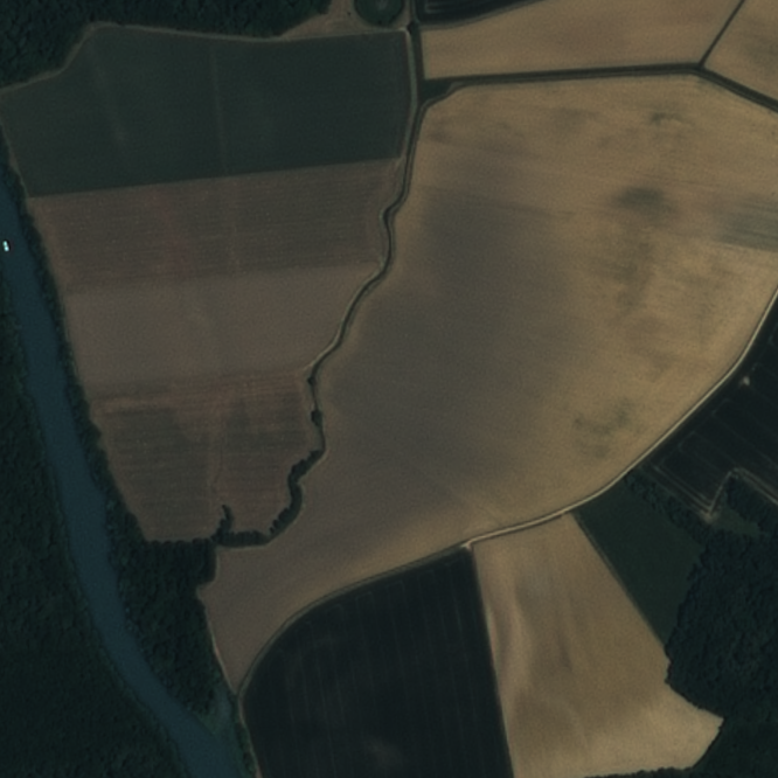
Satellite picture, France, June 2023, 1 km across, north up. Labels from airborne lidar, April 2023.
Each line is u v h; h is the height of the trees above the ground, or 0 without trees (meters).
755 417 0
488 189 0
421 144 0
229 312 0
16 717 17
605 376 0
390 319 0
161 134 0
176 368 0
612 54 0
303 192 0
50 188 0
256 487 0
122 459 0
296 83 0
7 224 0
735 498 20
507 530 0
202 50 0
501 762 0
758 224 0
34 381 0
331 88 0
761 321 0
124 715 16
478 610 0
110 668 15
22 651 17
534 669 0
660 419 0
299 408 0
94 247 0
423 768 0
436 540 0
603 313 0
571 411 0
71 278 0
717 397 0
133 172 0
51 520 20
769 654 27
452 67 0
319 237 0
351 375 0
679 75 0
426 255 0
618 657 0
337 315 0
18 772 20
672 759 0
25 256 0
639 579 0
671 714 0
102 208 0
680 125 0
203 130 0
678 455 0
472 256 0
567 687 0
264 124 0
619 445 0
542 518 0
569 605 0
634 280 0
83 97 0
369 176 0
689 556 0
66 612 20
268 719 0
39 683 16
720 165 0
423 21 0
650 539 0
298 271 0
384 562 0
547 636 0
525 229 0
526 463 0
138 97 0
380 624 0
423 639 0
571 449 0
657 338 0
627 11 0
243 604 0
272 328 0
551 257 0
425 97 0
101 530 0
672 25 0
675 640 11
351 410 0
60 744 16
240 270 0
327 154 0
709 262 0
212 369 0
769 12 0
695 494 0
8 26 19
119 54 0
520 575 0
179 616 18
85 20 18
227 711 0
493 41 0
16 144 0
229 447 0
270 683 0
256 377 0
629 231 0
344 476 0
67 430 0
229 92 0
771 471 0
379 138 0
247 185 0
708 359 0
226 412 0
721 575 23
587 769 0
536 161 0
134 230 0
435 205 0
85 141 0
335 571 0
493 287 0
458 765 0
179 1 26
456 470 0
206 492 0
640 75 0
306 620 0
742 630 26
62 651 21
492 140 0
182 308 0
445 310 0
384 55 0
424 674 0
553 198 0
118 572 8
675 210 0
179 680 17
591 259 0
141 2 22
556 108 0
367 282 0
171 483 0
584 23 0
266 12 22
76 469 0
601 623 0
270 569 0
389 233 0
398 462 0
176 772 20
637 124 0
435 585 0
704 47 0
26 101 0
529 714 0
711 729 0
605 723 0
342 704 0
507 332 0
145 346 0
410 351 0
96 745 16
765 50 0
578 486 0
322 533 0
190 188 0
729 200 0
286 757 0
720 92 0
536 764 0
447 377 0
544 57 0
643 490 14
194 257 0
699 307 0
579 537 0
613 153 0
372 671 0
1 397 22
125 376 0
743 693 20
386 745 0
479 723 0
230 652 0
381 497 0
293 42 0
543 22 0
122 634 0
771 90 0
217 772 0
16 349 12
